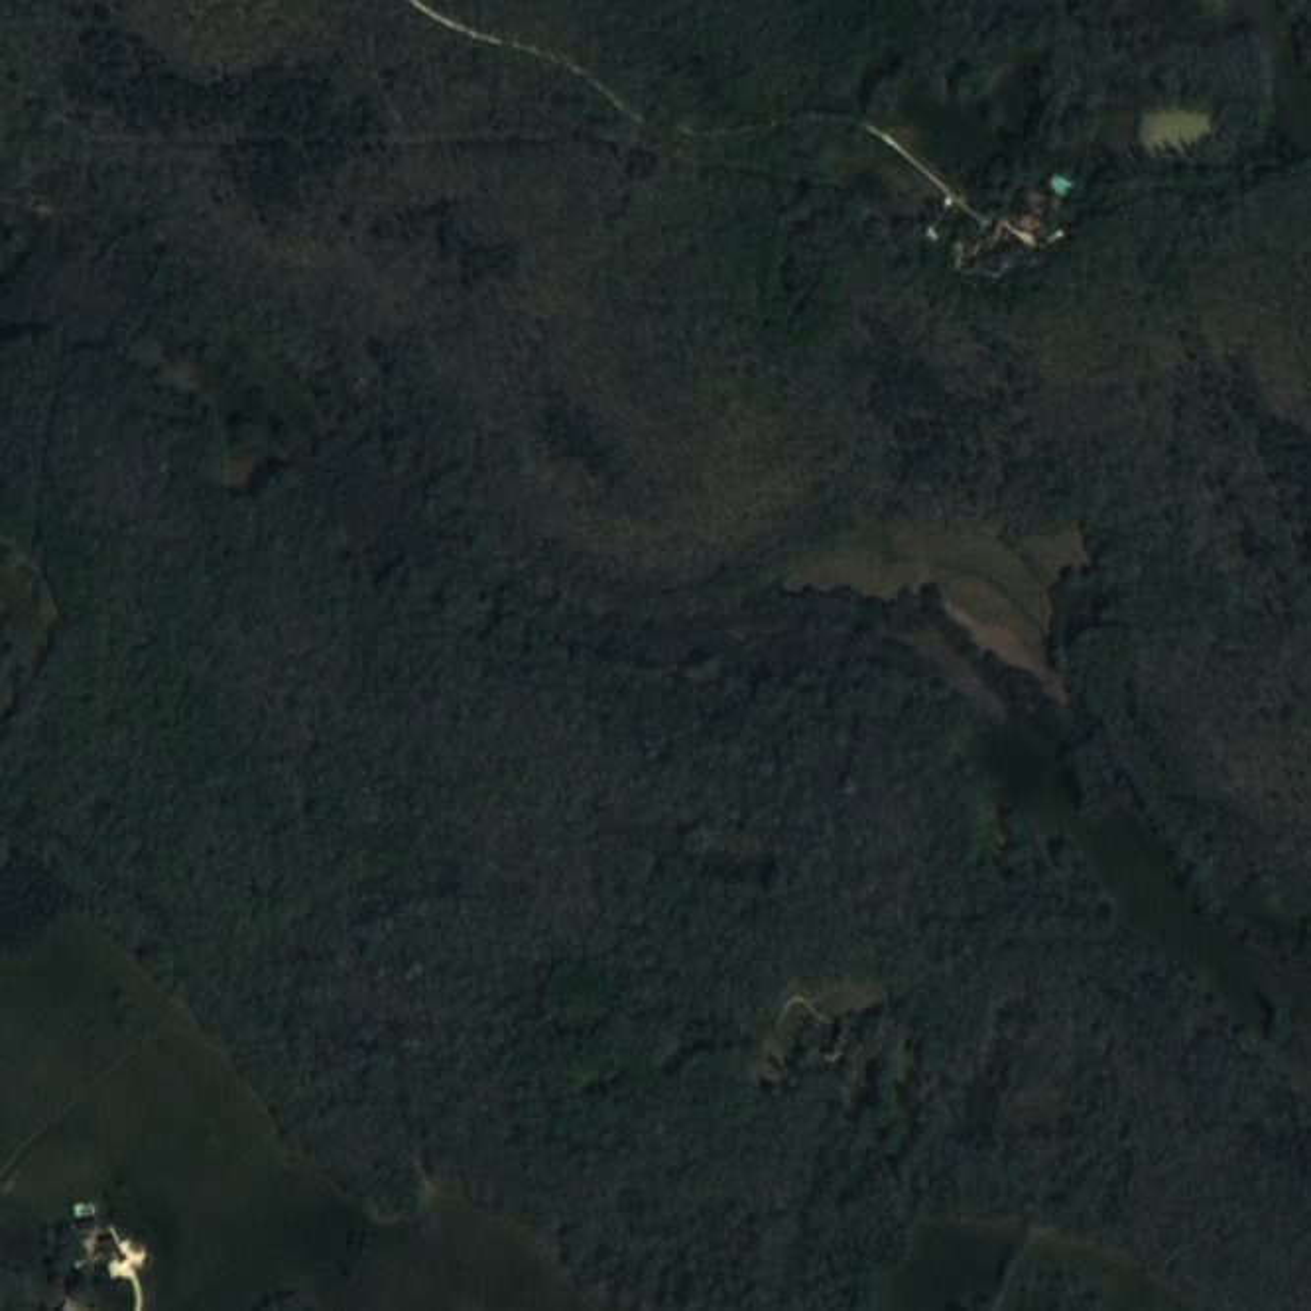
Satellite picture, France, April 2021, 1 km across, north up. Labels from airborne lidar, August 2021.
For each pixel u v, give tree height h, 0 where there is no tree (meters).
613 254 15
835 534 18
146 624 23
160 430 23
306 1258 0
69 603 18
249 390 11
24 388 20
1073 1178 16
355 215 13
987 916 16
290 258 12
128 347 13
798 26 16
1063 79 10
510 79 17
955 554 0
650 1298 14
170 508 19
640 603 18
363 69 10
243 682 18
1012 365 12
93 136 14
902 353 20
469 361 17
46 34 20
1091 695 21
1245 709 18
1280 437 13
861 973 20
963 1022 19
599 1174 19
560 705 23
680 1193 20
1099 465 19
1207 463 12
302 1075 22
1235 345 11
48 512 22
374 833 22
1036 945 18
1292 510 10
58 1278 8
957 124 0
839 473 18
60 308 9
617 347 17
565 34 17
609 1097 16
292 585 14
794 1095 17
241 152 6
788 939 16
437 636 24
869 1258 13
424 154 16
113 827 17
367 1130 19
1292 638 17
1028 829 12
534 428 12
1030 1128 0
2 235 8
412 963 20
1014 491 14
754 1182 20
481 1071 20
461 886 19
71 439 20
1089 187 8
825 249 21
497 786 19
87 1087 0
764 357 16
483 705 20
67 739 22
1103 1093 15
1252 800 16
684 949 17
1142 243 20
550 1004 22
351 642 22
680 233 16
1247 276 16
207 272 14
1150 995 21
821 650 17
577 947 20
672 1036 22
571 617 9
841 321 23
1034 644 0
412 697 22
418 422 12
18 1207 0
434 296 14
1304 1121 13
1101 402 16
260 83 17
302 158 13
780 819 17
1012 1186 17
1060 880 12
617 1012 21
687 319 17
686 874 21
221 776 21
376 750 22
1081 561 0
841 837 13
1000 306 7
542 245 13
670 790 14
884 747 15
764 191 17
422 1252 0
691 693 21
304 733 22
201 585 24
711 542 17
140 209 14
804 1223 17
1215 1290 21
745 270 21
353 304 17
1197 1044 15
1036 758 0
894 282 17
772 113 16
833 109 10
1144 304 17
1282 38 0
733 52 12
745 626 9
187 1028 0
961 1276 0
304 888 19
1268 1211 21
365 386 17
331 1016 18
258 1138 0
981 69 20
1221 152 16
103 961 0
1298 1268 18
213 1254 0
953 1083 19
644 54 14
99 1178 0
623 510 13
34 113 24
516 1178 17
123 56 11
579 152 19
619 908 18
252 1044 20
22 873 17
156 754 18
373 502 9
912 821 16
